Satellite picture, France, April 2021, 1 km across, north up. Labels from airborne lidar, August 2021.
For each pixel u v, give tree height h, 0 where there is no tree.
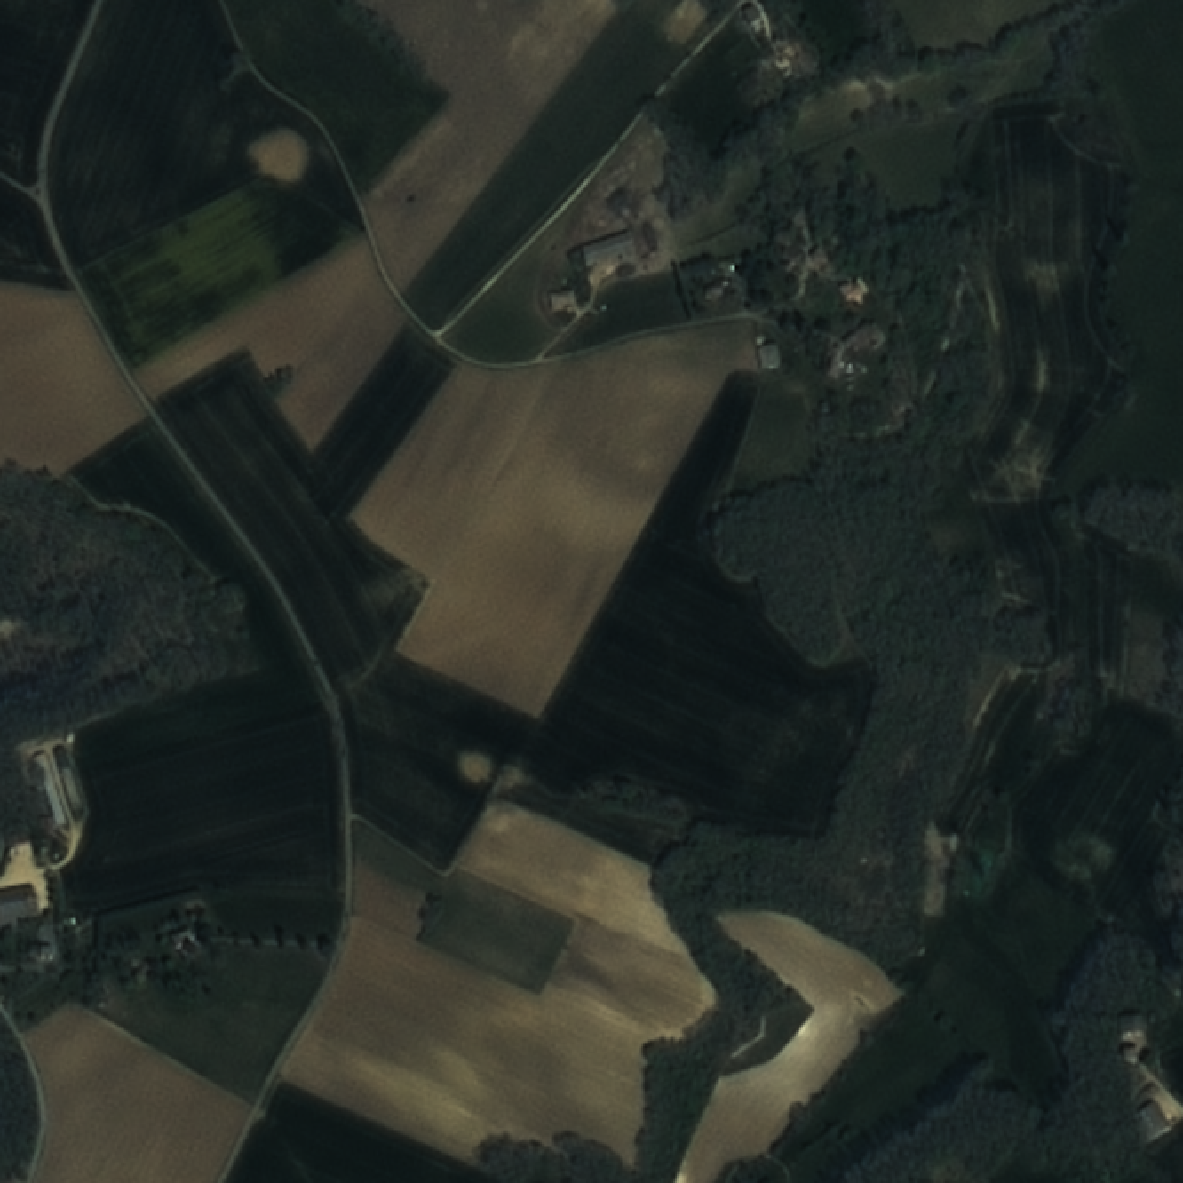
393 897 0
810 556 18
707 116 0
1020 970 0
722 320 0
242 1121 0
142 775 0
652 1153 15
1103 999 22
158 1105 0
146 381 0
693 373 0
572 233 0
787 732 0
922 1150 15
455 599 0
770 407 0
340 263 0
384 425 0
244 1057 0
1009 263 0
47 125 0
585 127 0
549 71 0
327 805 0
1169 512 18
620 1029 0
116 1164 0
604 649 0
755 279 9
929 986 0
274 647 0
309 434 0
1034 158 0
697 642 0
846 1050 0
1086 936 0
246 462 0
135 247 0
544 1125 0
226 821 0
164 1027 0
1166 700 13
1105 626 0
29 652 7
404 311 0
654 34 0
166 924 7
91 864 0
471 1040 0
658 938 0
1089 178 0
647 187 0
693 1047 14
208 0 0
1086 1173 13
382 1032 0
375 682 0
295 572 0
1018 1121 18
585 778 0
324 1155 0
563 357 0
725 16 17
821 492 21
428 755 0
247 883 0
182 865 0
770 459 0
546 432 0
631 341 0
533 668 0
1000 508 0
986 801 0
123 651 15
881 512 24
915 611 22
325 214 0
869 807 15
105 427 0
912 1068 0
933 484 27
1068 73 21
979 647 18
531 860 0
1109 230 0
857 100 0
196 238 0
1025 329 0
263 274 0
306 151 0
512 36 0
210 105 0
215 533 0
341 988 0
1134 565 0
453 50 0
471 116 0
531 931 0
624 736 0
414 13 0
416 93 0
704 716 0
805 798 0
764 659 0
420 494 0
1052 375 0
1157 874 13
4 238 0
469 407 0
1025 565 0
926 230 19
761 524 17
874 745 11
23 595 18
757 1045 0
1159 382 0
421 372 0
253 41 0
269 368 0
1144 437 0
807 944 0
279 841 0
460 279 0
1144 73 0
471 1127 0
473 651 0
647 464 0
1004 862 0
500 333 0
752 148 18
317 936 0
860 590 13
